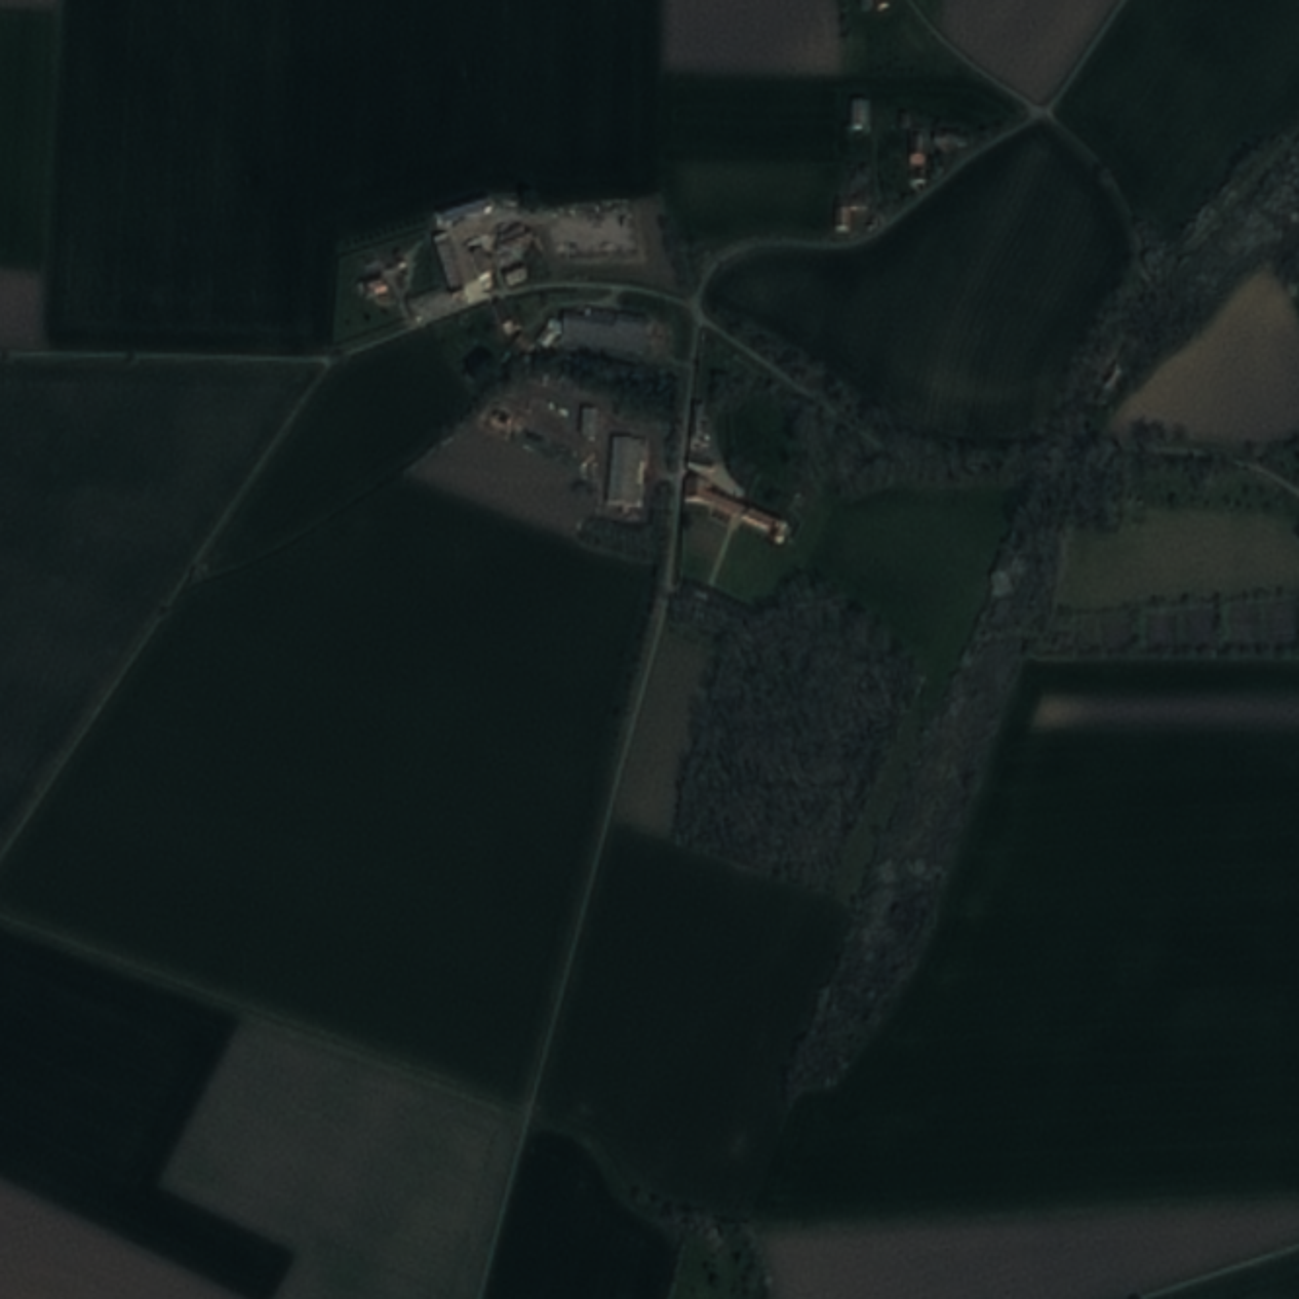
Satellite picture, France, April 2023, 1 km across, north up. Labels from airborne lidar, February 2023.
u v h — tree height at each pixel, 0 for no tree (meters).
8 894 0
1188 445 16
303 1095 0
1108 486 22
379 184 0
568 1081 0
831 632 16
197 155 0
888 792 0
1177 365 0
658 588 8
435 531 0
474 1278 0
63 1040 0
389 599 0
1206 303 9
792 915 0
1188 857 0
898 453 21
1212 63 0
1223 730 0
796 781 22
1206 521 0
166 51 0
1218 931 0
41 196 0
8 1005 0
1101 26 0
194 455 0
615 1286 0
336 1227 0
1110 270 0
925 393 0
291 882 0
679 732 0
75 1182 0
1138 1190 0
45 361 0
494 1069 0
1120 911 0
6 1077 0
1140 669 0
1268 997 0
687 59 0
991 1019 0
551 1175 0
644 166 0
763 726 22
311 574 0
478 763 0
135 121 0
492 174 0
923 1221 0
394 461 0
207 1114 0
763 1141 0
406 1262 0
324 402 0
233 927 0
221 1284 0
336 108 0
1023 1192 0
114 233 0
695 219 0
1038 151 0
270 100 0
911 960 9
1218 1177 0
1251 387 0
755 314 0
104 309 0
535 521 0
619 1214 0
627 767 0
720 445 0
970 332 0
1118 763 0
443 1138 0
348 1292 0
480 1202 0
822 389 7
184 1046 0
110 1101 0
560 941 0
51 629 0
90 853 0
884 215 10
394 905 0
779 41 0
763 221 0
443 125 0
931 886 6
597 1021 0
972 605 0
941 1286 0
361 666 0
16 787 0
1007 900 0
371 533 0
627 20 0
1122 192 0
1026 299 0
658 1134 0
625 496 0
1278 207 7
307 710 0
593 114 0
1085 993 0
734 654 18
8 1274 0
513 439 0
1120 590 0
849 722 21
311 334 0
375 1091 0
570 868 0
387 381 0
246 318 0
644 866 0
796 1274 0
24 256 0
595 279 0
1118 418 0
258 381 0
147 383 0
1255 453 14
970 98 0
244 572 0
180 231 0
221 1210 0
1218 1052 0
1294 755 0
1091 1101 0
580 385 12
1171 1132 0
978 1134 0
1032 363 0
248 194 0
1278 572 0
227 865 0
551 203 0
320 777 0
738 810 20
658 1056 0
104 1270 0
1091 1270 0
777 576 0
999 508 0
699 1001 0
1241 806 0
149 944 0
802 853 17
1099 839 0
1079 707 0
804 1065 13
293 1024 0
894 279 0
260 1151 0
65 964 0
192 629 0
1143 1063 0
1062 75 0
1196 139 0
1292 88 0
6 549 0
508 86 0
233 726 0
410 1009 0
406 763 0
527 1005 0
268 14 0
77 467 0
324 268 0
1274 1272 0
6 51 0
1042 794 0
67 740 0
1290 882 0
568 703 0
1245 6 0
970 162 0
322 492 0
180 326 0
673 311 0
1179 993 0
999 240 0
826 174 0
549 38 0
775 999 0
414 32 0
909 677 17
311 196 0
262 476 0
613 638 0
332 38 0
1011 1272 0
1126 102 0
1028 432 0
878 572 0
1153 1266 0
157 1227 0
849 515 0
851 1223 0
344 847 0
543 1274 0
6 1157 0
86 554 0
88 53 0
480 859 0
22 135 0
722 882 0
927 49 0
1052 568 22
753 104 0
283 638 0
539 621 0
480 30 0
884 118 0
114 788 0
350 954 0
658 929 0
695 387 0
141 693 0
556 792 0
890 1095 0
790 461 16
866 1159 0
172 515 0
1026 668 0
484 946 0
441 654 0
